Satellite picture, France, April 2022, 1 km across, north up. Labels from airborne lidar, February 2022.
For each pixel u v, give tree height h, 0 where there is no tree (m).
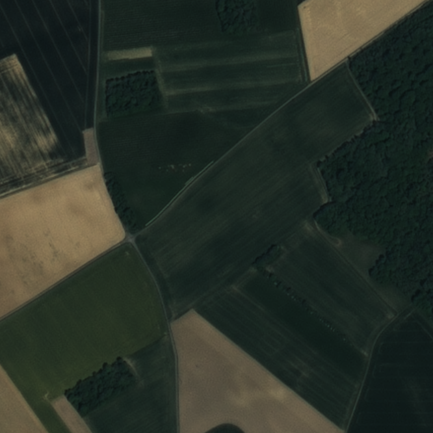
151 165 0
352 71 15
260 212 0
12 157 0
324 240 0
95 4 0
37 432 0
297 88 0
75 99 0
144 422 0
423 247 17
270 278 10
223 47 0
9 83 0
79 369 0
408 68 14
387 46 9
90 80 0
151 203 0
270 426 0
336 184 17
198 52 0
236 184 0
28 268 0
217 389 0
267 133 0
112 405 0
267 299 0
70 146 0
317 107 0
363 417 0
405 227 23
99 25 0
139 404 0
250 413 0
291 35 0
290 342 0
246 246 0
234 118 0
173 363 0
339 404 0
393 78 14
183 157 0
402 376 0
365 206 22
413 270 15
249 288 0
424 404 0
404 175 21
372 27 0
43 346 0
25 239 0
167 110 0
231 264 0
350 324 0
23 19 0
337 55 0
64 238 0
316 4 0
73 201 0
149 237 0
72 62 0
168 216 0
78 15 0
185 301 0
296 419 0
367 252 0
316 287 0
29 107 0
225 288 0
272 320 0
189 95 0
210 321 0
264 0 0
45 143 0
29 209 0
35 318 0
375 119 0
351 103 0
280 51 0
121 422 0
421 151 19
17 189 0
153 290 0
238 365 0
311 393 0
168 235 0
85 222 0
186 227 0
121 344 0
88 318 0
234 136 0
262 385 0
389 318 0
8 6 0
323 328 0
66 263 0
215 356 0
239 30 18
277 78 0
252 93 0
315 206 0
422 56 13
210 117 0
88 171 0
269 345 0
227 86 0
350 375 0
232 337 0
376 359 0
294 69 0
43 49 0
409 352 0
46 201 0
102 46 0
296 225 0
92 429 0
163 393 0
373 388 0
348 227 12
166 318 0
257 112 0
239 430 0
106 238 0
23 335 0
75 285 0
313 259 0
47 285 0
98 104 0
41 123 0
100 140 0
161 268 0
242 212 0
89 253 0
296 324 0
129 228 12
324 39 0
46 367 0
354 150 17
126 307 0
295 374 0
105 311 0
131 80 18
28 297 0
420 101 23
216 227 0
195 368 0
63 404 0
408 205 15
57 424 0
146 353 0
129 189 0
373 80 22
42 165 0
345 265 0
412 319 0
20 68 0
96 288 0
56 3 0
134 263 0
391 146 24
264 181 0
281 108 0
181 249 0
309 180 0
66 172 0
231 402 0
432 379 0
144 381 0
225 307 0
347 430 0
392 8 0
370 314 0
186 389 0
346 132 0
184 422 0
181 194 0
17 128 0
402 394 0
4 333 0
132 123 0
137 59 0
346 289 0
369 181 21
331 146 0
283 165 0
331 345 0
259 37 0
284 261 0
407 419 0
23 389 0
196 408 0
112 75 0
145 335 0
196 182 0
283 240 0
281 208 0
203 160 0
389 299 0
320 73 0
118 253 0
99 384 9
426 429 0
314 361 0
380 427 0
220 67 0
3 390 0
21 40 0
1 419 0
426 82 17
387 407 0
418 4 0
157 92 15
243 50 0
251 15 18
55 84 0
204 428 0
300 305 7
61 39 0
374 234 19
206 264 0
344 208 21
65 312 0
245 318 0
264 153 0
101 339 0
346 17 0
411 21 8
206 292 0
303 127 0
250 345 0
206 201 0
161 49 0
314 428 0
